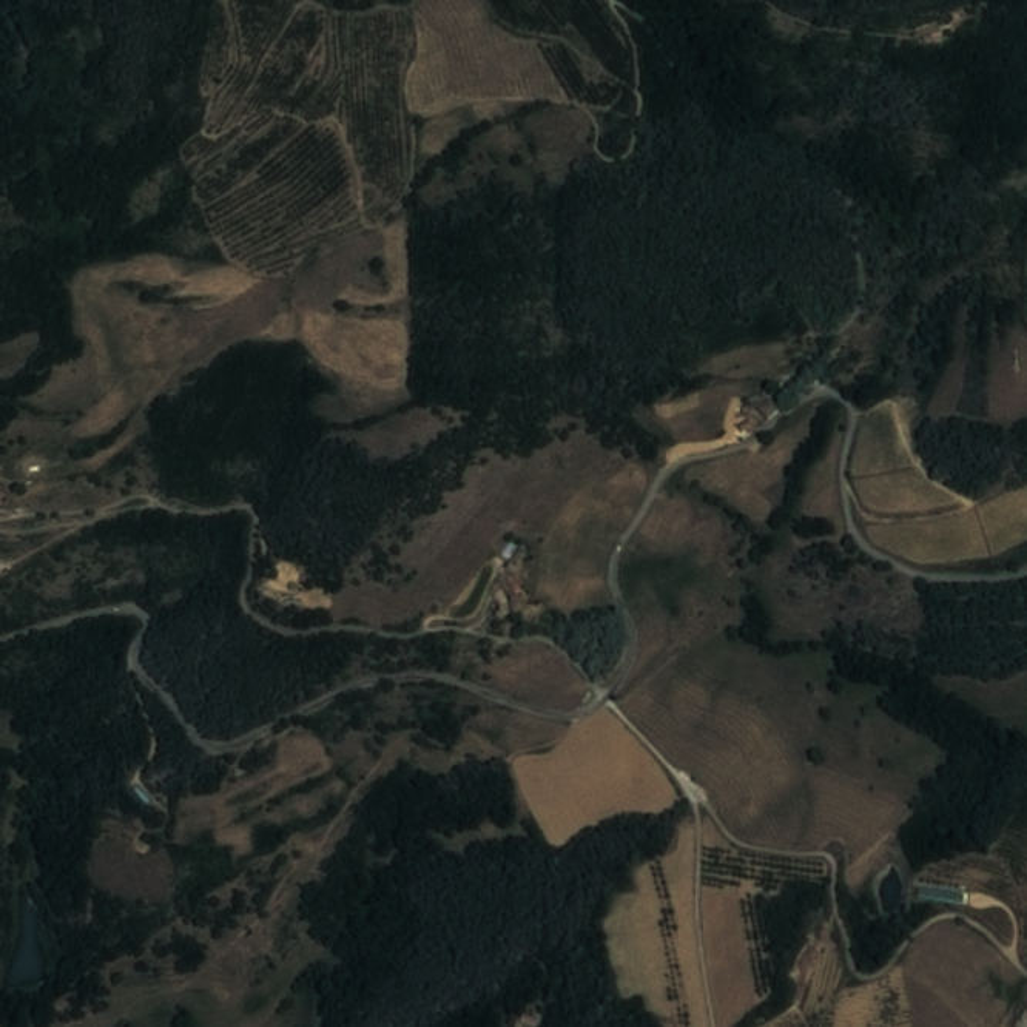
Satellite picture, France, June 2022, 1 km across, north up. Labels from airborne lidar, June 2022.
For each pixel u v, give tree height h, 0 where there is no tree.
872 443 0
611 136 6
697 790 0
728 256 12
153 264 0
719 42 24
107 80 12
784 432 0
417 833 14
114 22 12
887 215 14
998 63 13
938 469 15
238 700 10
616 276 11
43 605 6
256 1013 0
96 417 0
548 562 0
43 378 6
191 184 9
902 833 8
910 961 0
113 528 11
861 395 20
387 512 9
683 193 16
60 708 14
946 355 15
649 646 0
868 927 11
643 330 13
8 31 20
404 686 8
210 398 12
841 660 20
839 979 0
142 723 11
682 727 0
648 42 9
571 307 11
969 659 20
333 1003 19
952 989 0
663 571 0
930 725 23
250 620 11
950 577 0
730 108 25
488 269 14
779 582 0
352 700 13
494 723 0
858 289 8
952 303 13
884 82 14
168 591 7
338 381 0
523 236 9
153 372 0
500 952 15
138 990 0
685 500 0
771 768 0
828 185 24
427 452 9
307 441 10
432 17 0
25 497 12
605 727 0
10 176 6
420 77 0
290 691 7
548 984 7
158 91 8
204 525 9
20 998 23
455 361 15
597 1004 11
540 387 10
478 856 17
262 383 7
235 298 0
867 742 0
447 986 15
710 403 0
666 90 8
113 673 9
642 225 15
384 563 8
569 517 0
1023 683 0
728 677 0
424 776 13
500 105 0
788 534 0
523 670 0
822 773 0
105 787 11
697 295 15
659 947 0
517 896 17
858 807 0
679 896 0
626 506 0
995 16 12
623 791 0
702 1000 0
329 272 0
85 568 8
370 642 9
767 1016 7
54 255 13
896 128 6
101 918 10
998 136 6
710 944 0
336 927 18
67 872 14
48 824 19
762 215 9
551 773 0
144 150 15
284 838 13
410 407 7
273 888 16
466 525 0
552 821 0
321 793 0
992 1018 0
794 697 0
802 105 6
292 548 8
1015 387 0
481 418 12
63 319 15
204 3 20
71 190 14
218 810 0
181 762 12
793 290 8
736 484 0
